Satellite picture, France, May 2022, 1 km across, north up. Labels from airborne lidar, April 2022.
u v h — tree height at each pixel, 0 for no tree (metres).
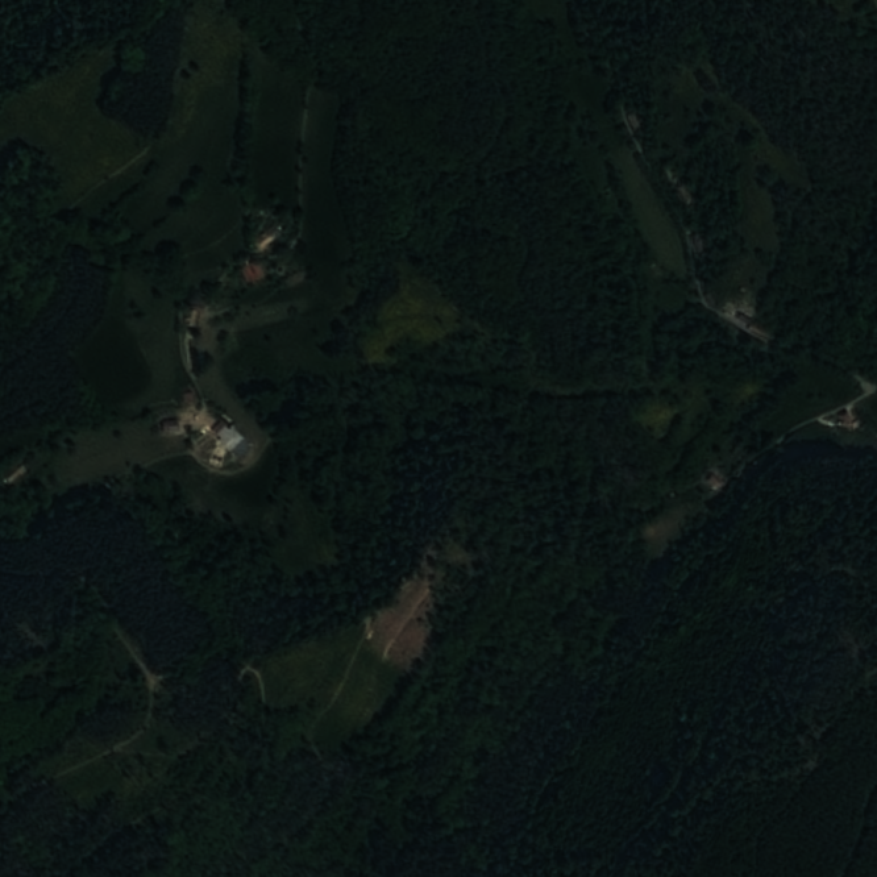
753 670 17
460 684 26
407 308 0
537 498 22
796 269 18
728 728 22
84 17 14
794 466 25
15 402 22
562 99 17
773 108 27
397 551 27
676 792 8
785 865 12
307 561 0
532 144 19
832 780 14
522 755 33
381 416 34
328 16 18
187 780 8
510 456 33
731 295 0
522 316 14
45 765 0
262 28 15
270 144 0
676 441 11
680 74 17
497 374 21
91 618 22
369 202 21
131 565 31
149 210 0
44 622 27
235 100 0
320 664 0
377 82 13
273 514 0
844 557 14
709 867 13
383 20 16
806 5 14
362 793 14
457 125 21
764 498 21
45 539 27
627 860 23
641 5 22
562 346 18
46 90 0
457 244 28
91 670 17
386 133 20
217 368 0
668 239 0
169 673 18
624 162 0
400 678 0
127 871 34
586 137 14
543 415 17
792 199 17
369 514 27
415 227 22
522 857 35
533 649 22
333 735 0
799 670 8
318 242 0
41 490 26
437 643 27
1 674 20
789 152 16
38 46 10
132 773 24
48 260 26
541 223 16
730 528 19
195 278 0
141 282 0
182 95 0
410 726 9
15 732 22
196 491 0
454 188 19
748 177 0
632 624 32
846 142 25
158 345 0
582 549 23
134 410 0
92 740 24
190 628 26
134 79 21
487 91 18
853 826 11
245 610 27
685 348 26
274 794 18
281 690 0
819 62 24
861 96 22
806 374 0
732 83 27
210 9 11
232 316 9
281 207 8
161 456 0
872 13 19
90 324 21
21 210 30
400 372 8
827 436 0
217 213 0
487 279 22
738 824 10
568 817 11
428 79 20
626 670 11
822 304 24
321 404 21
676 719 11
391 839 16
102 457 0
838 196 28
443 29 17
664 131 0
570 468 23
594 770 13
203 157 0
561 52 20
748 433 14
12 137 0
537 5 0
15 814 28
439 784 23
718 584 14
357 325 19
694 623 14
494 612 19
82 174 0
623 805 11
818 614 22
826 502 20
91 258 8
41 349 23
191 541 13
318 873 23
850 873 13
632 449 26
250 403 22
